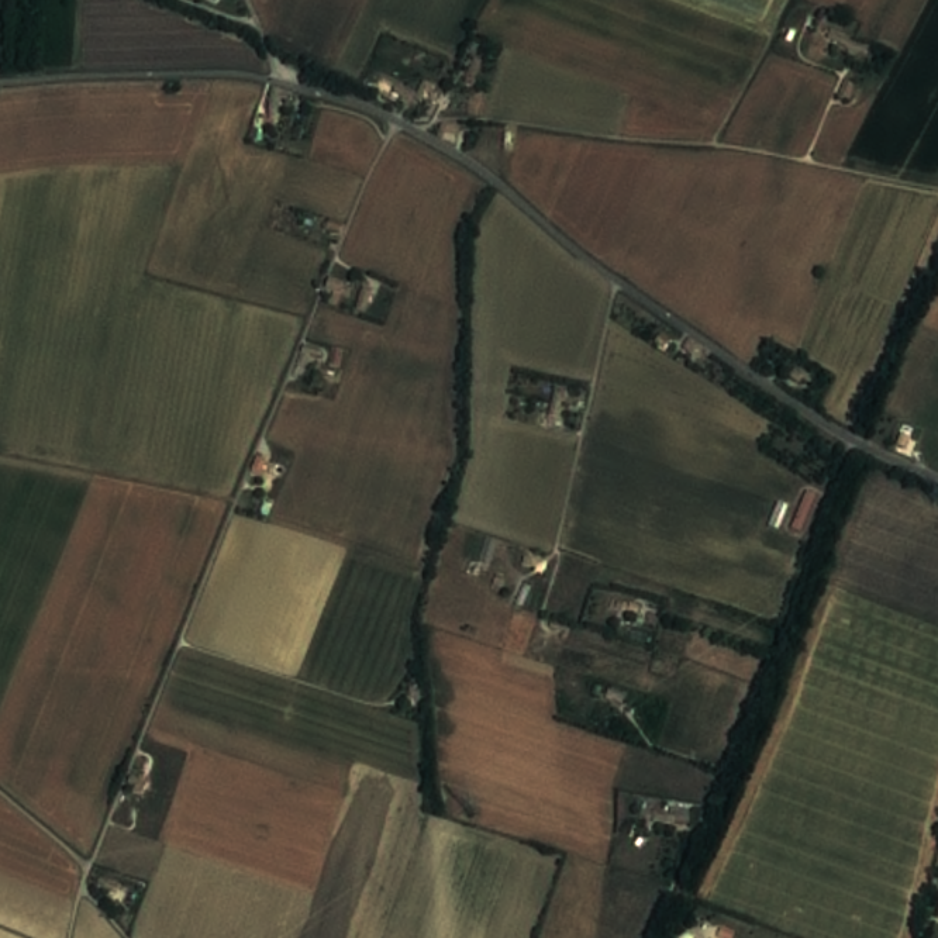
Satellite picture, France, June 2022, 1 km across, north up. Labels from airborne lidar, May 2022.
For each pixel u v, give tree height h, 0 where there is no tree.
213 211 0
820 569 14
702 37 0
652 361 0
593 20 0
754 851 0
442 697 0
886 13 0
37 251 0
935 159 0
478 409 0
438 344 0
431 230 0
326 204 0
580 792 0
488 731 0
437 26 0
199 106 0
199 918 0
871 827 0
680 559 0
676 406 0
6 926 0
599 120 0
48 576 0
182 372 0
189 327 0
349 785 0
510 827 0
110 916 11
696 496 0
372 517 0
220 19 10
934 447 0
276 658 0
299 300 0
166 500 0
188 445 0
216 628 0
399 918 0
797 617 10
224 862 0
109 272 0
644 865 0
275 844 0
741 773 21
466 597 0
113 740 0
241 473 0
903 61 0
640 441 0
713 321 0
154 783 0
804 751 0
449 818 0
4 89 0
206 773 0
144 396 0
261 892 0
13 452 0
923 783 0
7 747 0
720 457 0
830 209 0
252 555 0
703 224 0
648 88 0
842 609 0
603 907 0
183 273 0
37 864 0
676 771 0
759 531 0
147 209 0
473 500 0
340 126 0
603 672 0
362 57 0
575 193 0
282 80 0
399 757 0
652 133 0
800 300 0
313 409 0
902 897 0
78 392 0
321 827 0
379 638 0
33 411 0
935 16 0
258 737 0
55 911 0
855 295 0
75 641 0
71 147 0
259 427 0
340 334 0
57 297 0
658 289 0
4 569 0
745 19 0
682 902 19
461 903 0
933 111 0
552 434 0
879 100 0
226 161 0
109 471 0
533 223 0
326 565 0
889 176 0
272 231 0
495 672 0
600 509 0
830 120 0
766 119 0
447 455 0
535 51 0
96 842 0
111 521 0
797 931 0
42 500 0
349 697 0
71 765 0
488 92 9
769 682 17
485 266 0
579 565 0
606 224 0
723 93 0
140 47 0
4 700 0
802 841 0
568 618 10
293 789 0
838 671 0
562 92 0
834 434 0
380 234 0
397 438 0
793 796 0
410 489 0
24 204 0
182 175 0
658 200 0
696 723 0
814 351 0
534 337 0
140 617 0
